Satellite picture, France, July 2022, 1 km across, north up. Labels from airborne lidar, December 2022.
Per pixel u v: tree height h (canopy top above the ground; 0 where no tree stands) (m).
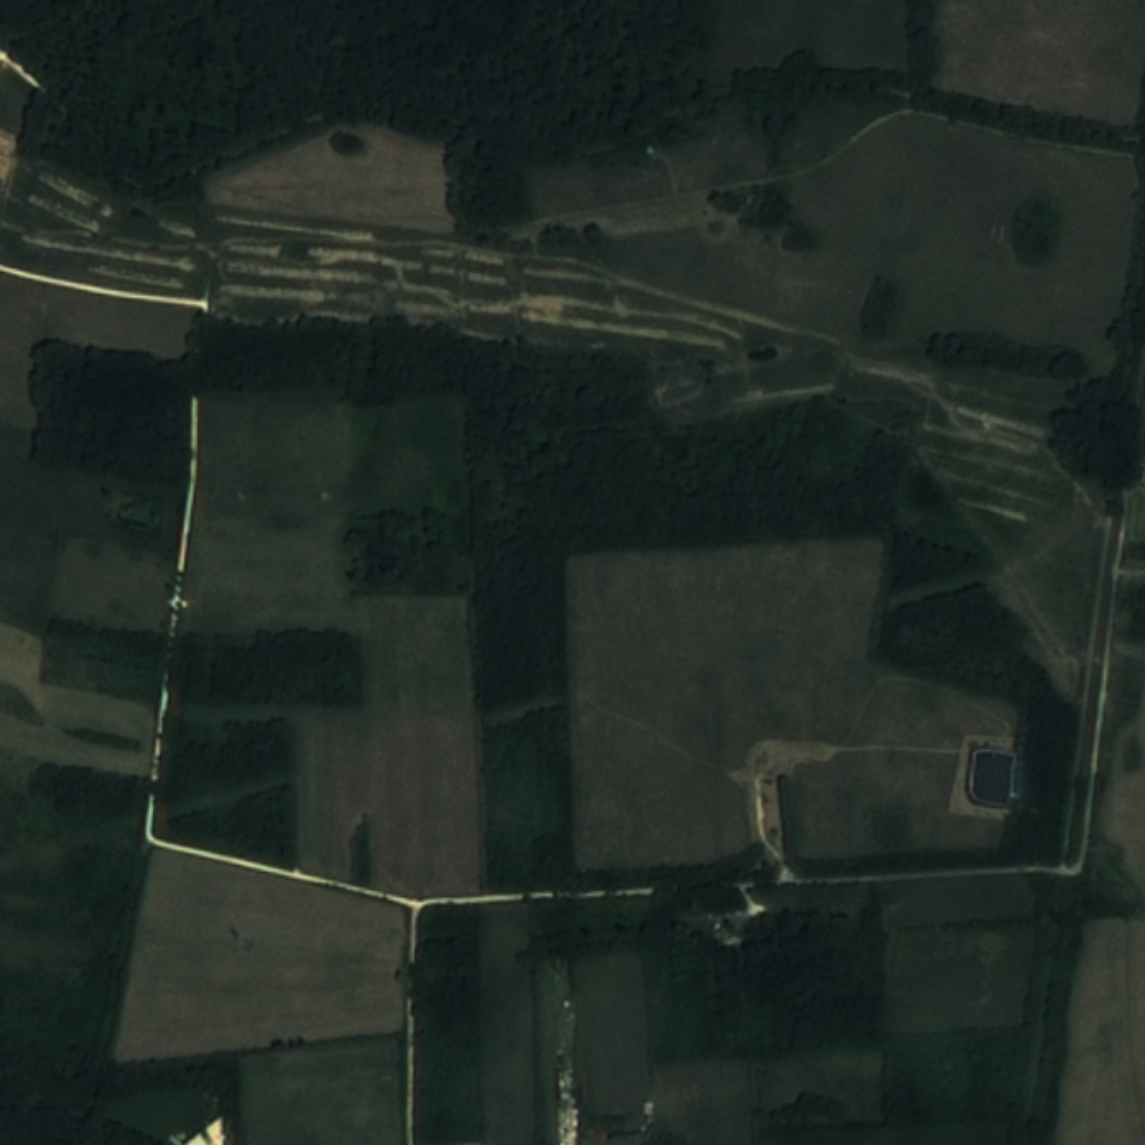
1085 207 0
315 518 0
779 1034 8
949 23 0
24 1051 9
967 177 0
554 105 21
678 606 0
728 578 0
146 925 0
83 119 21
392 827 0
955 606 14
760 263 0
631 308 0
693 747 0
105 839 0
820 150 0
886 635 6
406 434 0
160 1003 0
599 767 0
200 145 22
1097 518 0
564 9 19
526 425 19
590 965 0
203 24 18
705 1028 9
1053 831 6
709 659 0
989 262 0
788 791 12
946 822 0
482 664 11
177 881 0
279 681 9
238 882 0
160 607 0
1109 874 0
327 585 0
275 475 0
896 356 0
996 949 0
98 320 0
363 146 6
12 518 0
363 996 0
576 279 0
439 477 0
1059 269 0
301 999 0
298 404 0
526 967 11
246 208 0
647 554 0
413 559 19
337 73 18
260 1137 0
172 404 19
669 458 8
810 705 0
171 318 0
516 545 16
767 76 12
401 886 0
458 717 0
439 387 10
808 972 24
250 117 19
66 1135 19
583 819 0
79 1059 10
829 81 11
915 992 0
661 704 0
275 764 15
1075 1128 0
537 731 12
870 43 0
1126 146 11
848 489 11
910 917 0
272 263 0
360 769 0
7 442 0
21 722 0
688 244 0
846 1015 15
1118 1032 0
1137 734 0
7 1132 17
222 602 0
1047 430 0
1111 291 0
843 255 0
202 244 0
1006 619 13
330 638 11
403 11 21
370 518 8
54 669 0
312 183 0
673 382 0
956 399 0
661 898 12
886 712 0
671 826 0
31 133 17
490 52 23
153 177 20
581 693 0
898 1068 7
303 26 22
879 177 0
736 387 0
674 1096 0
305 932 0
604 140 19
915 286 0
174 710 6
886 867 7
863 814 0
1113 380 7
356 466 0
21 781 0
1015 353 8
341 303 0
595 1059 0
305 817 0
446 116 20
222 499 0
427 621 0
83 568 0
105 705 0
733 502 9
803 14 0
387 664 0
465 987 8
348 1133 0
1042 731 12
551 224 0
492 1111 0
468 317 0
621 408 6
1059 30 0
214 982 0
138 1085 6
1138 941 0
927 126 0
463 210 21
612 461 12
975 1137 0
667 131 8
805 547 0
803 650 0
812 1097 13
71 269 0
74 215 0
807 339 0
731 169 0
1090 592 0
